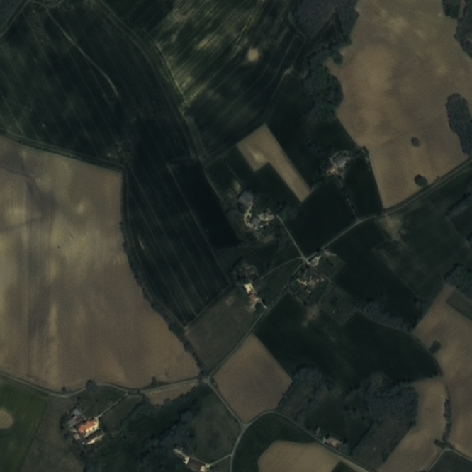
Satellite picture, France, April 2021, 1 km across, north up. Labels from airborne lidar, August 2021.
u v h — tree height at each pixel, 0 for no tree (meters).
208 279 0
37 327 0
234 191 0
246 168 0
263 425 0
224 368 0
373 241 0
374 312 17
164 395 0
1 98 0
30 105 0
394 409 19
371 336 0
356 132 0
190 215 0
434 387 0
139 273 13
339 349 0
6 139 0
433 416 0
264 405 0
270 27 0
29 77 0
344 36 11
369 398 19
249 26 0
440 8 0
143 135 0
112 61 0
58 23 0
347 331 0
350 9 19
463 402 0
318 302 0
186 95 0
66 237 0
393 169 0
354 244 0
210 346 0
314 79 18
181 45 0
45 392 0
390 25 0
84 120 0
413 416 18
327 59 16
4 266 0
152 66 0
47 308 0
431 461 0
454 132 16
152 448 12
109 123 0
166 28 0
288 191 0
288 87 0
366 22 0
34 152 0
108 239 0
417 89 0
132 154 0
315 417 0
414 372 0
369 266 0
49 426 0
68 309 0
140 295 0
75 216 0
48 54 0
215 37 0
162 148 0
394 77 0
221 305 0
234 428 0
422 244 0
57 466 0
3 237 0
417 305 12
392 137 0
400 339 0
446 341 0
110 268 0
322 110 14
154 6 0
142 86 0
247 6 0
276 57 0
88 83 0
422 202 0
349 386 0
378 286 0
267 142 0
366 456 0
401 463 0
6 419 0
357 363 0
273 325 0
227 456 0
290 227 0
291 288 6
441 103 0
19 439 0
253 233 0
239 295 0
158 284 0
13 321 0
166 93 0
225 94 0
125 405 0
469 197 14
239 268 11
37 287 0
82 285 0
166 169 0
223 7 0
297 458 0
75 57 0
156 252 0
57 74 0
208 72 0
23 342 0
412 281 0
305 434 0
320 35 0
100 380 0
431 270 0
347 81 0
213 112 0
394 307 0
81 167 0
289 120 0
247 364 0
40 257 0
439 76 0
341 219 0
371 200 0
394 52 0
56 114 0
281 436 0
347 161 6
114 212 0
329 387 15
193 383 0
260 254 0
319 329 0
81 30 0
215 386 0
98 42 0
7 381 0
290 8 0
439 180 8
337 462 0
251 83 0
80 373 0
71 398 0
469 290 17
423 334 0
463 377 0
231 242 0
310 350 0
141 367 0
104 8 0
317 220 0
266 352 0
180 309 0
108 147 0
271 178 0
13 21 0
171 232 0
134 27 0
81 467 0
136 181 0
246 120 0
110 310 0
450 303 0
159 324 0
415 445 0
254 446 0
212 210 0
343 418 0
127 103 0
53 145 0
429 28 0
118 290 0
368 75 0
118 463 0
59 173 0
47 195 0
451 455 0
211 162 0
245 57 0
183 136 0
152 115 0
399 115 0
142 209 0
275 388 0
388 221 0
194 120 0
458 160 0
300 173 0
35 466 0
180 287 0
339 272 0
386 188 0
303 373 16
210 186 0
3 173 0
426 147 0
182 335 20
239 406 0
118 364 0
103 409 0
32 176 0
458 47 0
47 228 0
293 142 0
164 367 0
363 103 0
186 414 18
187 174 0
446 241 0
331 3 18
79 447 10
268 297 0
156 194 0
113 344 0
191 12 0
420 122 0
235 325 0
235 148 0
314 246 0
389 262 0
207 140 0
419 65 0
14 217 0
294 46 0
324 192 0
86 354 0
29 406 0
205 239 0
